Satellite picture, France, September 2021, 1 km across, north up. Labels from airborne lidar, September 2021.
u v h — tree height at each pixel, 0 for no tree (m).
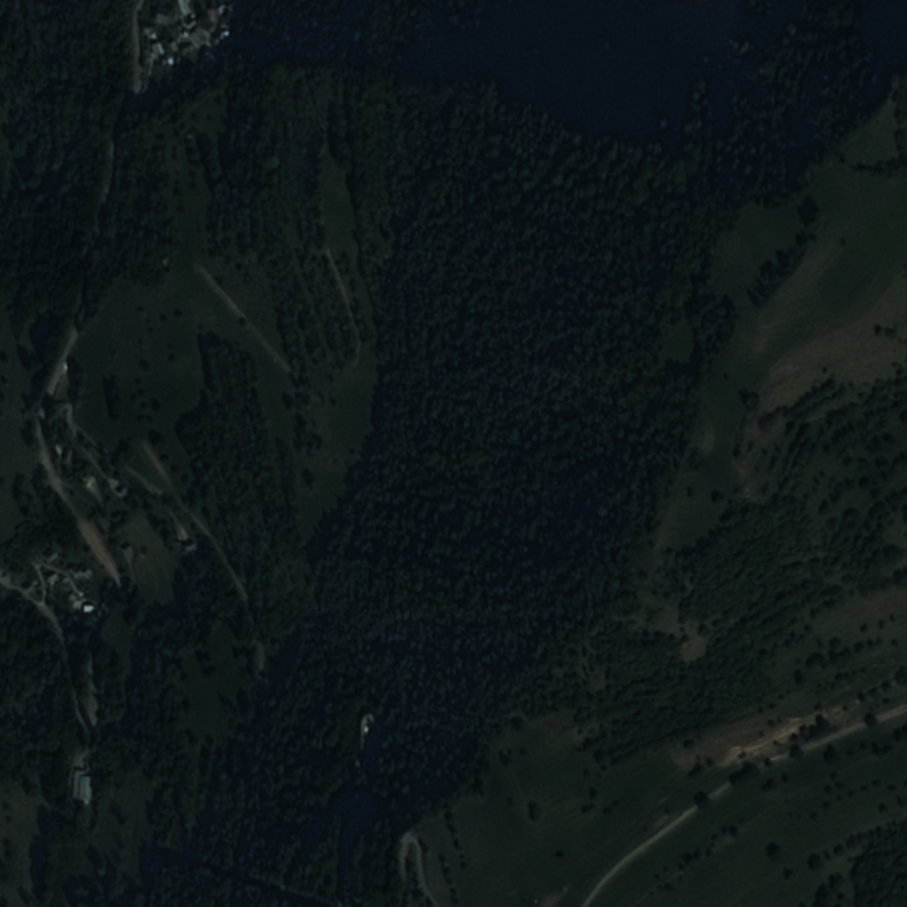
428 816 16
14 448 0
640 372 20
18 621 18
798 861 0
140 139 13
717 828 0
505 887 0
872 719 13
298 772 22
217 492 20
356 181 15
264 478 15
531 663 14
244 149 15
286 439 0
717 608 13
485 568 18
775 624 15
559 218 24
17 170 0
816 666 15
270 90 14
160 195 20
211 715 0
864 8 20
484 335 24
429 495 22
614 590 18
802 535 14
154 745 26
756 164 13
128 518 7
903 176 19
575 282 16
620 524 11
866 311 0
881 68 11
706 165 15
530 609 20
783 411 9
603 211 24
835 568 13
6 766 33
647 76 8
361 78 16
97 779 8
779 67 15
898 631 0
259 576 11
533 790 0
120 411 13
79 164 24
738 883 0
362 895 17
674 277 20
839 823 0
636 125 6
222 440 17
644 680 6
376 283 9
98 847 0
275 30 16
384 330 19
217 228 17
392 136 18
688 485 0
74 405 13
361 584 14
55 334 25
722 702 21
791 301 0
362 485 18
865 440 14
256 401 13
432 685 16
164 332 0
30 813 0
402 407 21
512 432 23
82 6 18
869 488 15
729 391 0
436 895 0
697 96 20
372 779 16
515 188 10
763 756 0
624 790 0
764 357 0
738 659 17
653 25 14
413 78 8
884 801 0
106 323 0
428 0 18
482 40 16
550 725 0
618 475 21
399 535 23
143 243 27
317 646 22
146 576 0
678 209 23
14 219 24
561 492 16
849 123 12
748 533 22
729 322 15
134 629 17
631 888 0
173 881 27
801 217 0
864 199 0
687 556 7
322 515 0
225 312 0
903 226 0
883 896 19
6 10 19
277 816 16
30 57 17
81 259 17
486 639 13
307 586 11
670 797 0
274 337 0
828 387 13
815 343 0
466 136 17
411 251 16
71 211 22
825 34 22
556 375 10
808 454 18
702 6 0
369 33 15
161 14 0
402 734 17
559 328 20
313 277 13
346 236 0
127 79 6
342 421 0
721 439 0
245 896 21
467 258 19
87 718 0
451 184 15
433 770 16
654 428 20
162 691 16
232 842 17
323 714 29
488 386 18
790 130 10
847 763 0
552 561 16
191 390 0
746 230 0
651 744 14
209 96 11
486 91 14
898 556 18
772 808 0
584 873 0
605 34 14
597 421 24
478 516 19
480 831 0
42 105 17
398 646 9
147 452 0
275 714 22
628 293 19
